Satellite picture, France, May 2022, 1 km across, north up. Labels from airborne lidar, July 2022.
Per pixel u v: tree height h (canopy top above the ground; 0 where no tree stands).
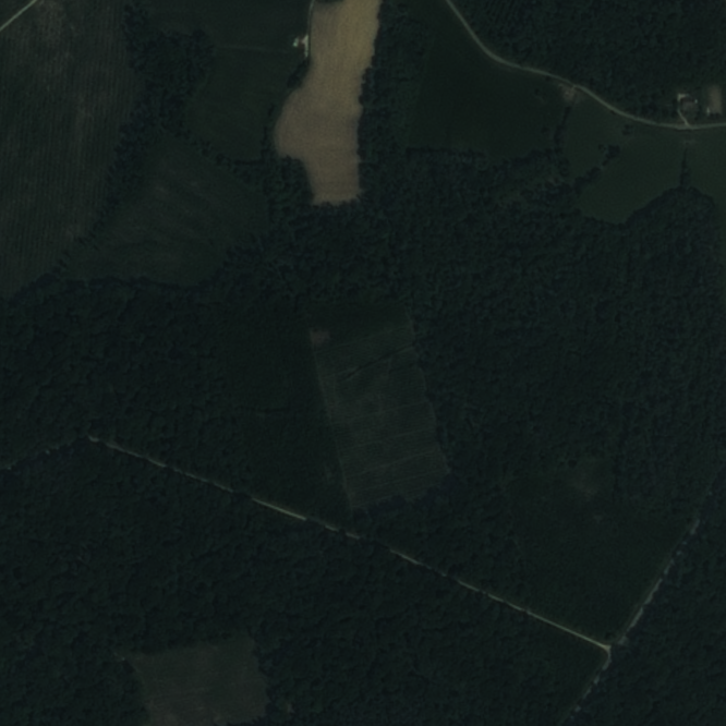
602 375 24
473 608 25
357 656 29
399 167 27
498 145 0
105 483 27
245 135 0
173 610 23
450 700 25
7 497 32
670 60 26
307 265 29
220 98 0
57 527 25
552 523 6
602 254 27
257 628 24
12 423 26
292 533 26
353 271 27
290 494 11
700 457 22
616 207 0
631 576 8
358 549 27
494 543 30
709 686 21
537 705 25
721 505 27
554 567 7
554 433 20
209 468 23
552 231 29
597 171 13
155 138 26
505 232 14
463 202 23
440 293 21
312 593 27
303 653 28
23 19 0
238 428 24
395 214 29
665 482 28
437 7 0
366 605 30
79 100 0
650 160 0
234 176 14
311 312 6
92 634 29
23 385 29
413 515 25
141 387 25
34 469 24
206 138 0
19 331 21
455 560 29
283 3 0
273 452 7
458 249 16
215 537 27
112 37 0
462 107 0
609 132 0
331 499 7
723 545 23
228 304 26
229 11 0
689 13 23
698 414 21
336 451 8
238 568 26
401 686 20
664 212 26
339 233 28
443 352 25
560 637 13
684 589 25
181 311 28
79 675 27
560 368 24
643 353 17
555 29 25
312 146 0
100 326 28
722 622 23
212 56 19
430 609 28
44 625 30
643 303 16
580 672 11
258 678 0
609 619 12
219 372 15
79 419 27
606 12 24
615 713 25
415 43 22
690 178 13
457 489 32
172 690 0
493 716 28
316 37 0
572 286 26
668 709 28
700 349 13
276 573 26
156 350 24
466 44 0
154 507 29
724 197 0
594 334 25
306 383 7
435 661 27
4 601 29
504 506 26
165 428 27
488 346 23
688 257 29
